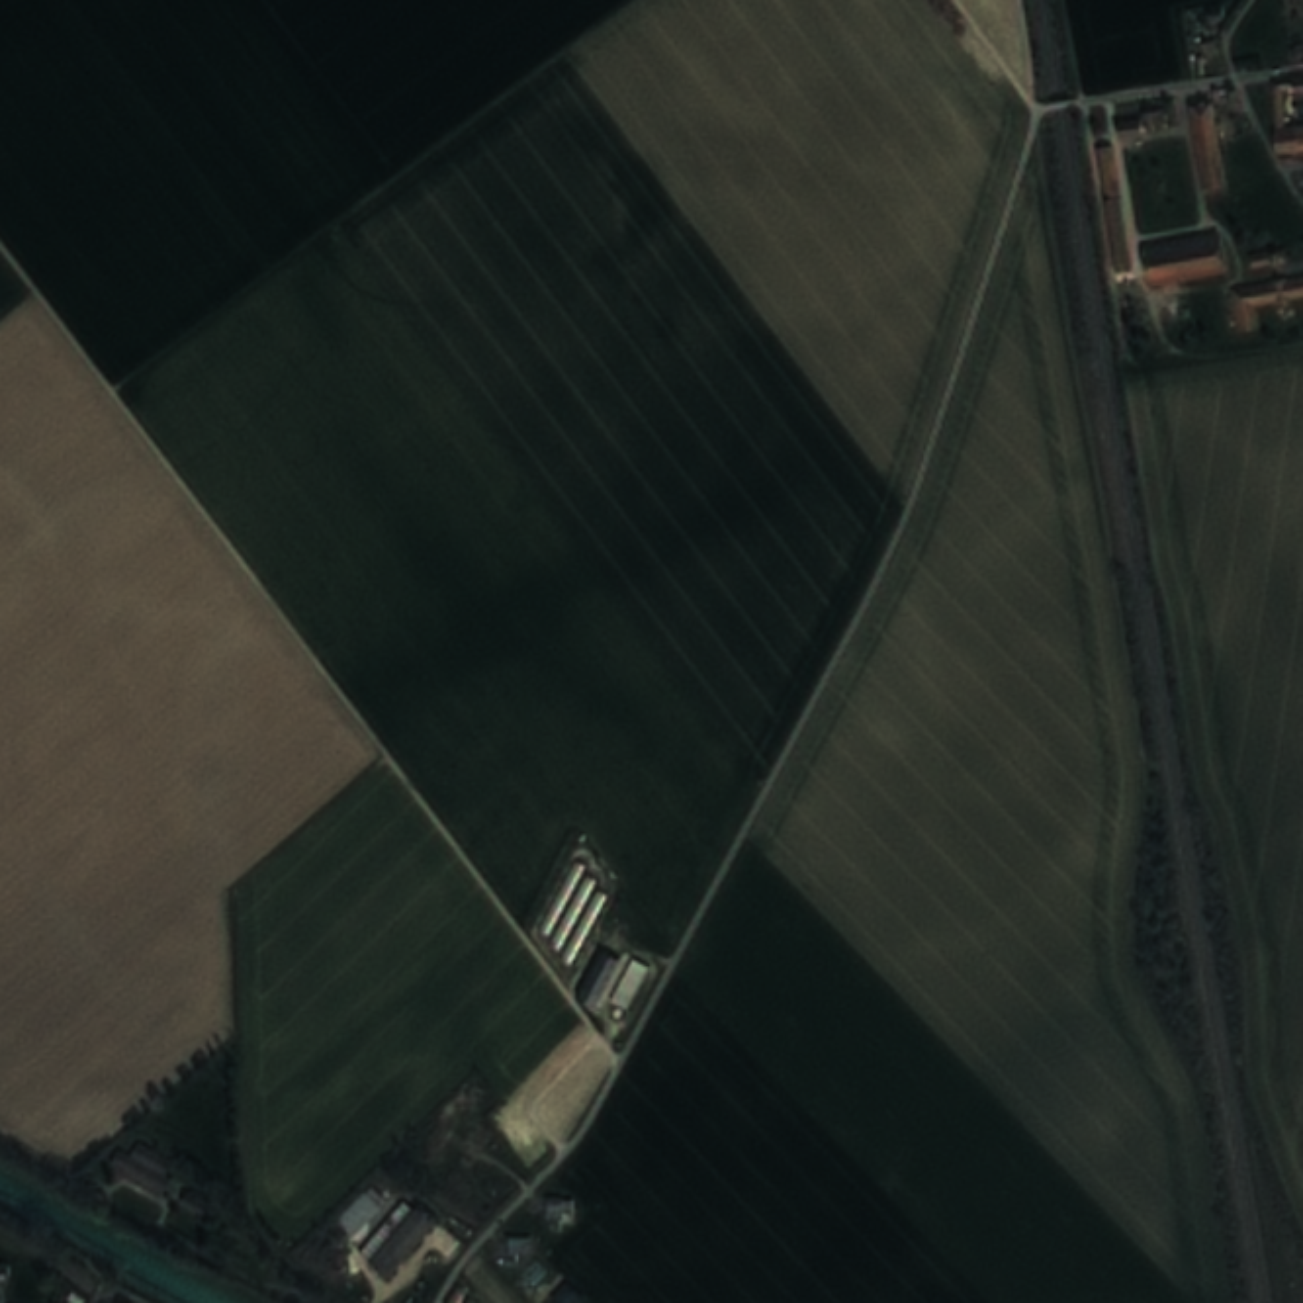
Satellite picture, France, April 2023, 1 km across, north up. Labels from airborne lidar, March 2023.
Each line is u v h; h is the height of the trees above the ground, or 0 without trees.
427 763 0
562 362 0
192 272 0
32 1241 22
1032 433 0
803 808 0
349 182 0
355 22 0
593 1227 0
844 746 0
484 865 0
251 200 0
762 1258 0
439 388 0
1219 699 0
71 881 0
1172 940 11
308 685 0
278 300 0
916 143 0
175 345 0
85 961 0
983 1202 0
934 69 0
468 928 0
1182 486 0
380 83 0
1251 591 0
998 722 0
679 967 0
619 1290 0
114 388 0
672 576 0
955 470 0
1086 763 0
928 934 0
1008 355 0
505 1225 0
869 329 0
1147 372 0
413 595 0
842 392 0
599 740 0
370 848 0
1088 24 0
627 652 0
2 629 0
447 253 0
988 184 0
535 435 0
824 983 0
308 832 0
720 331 0
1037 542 0
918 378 0
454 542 0
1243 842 0
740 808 0
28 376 0
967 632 0
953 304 0
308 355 0
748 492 0
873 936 0
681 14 0
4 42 0
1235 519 0
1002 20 0
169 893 0
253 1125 0
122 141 0
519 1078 0
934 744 0
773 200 0
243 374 0
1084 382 0
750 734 0
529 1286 0
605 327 0
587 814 0
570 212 0
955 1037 0
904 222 0
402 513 0
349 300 0
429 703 0
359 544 0
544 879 0
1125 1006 0
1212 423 0
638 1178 0
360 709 0
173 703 0
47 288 0
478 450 0
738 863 0
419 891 0
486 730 0
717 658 0
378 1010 0
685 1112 0
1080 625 0
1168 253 0
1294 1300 0
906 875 0
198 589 0
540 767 0
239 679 0
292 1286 13
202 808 0
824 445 0
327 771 0
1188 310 0
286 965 0
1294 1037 0
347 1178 0
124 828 0
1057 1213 0
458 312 0
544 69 0
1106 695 0
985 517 0
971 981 0
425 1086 0
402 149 0
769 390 0
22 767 0
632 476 0
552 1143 0
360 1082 0
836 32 0
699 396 0
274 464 0
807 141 0
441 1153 0
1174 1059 0
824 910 0
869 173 0
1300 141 0
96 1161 8
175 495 0
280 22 0
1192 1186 0
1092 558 0
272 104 0
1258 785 0
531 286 0
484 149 0
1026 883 0
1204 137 0
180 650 0
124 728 0
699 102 0
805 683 0
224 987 0
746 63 0
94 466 0
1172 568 0
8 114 0
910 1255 0
